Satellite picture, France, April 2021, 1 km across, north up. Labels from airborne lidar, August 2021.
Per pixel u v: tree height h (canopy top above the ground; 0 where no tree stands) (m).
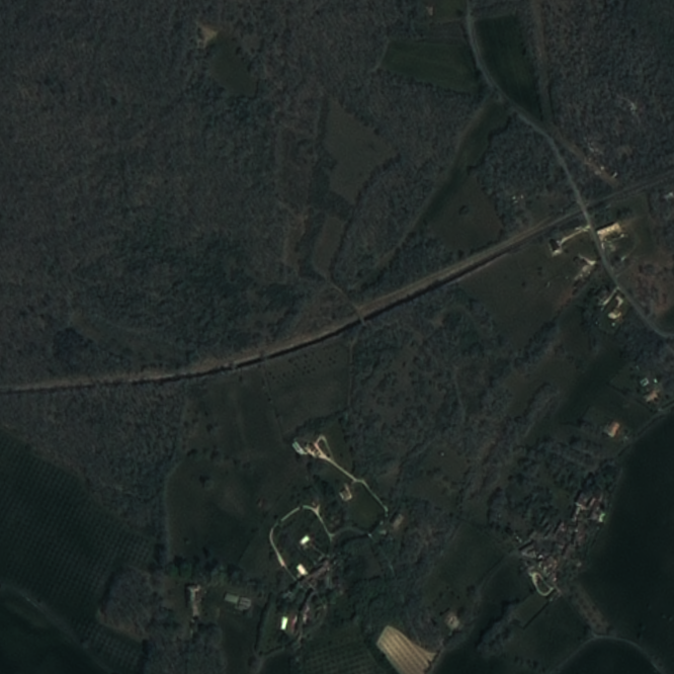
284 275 14
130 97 12
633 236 0
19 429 14
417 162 12
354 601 6
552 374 0
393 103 15
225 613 0
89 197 9
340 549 5
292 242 0
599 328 7
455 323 9
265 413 0
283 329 14
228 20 11
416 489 0
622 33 9
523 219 11
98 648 8
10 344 12
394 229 15
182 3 11
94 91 10
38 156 11
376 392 6
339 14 11
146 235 11
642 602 0
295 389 0
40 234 14
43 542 7
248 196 16
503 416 15
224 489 0
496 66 0
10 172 12
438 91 10
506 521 0
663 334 0
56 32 12
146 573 0
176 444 16
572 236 0
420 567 16
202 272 9
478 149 0
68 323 12
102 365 14
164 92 19
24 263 16
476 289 0
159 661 21
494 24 0
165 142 9
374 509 0
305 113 15
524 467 9
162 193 12
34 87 14
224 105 12
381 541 9
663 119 8
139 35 15
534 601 0
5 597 0
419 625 17
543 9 9
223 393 0
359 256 10
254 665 15
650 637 0
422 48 0
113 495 10
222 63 0
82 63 10
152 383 13
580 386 0
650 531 0
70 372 17
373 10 14
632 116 15
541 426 0
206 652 18
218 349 15
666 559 0
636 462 0
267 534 0
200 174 12
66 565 7
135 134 8
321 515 6
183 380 14
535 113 0
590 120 13
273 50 11
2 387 14
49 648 0
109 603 21
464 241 0
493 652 14
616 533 0
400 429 9
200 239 10
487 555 0
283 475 0
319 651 8
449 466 0
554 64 7
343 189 0
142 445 14
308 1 14
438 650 10
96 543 6
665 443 0
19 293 13
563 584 9
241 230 18
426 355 10
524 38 9
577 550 6
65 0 9
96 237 17
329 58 13
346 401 0
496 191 9
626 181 11
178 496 0
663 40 18
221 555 0
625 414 0
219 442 0
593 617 7
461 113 15
